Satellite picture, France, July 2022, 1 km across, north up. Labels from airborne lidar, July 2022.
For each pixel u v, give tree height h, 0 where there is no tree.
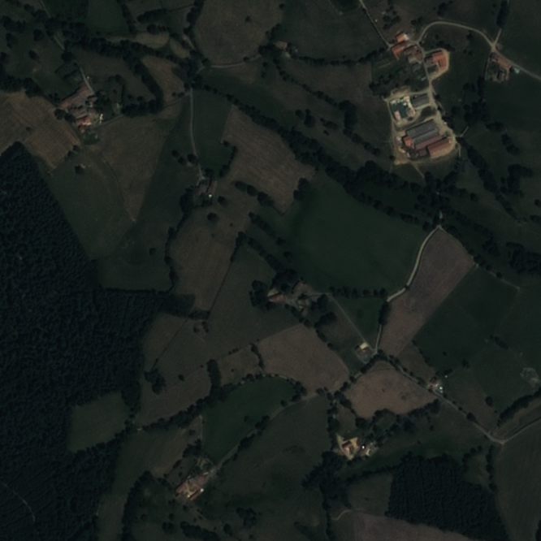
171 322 0
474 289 0
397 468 9
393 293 0
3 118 0
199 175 0
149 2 0
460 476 11
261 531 0
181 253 0
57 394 33
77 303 39
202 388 0
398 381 0
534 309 0
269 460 0
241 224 0
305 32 0
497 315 0
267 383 0
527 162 0
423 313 0
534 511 0
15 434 30
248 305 0
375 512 0
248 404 0
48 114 0
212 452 0
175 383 0
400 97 0
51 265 36
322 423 0
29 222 37
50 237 29
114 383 23
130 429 16
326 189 0
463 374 0
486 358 0
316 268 0
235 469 0
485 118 25
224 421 0
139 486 20
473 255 15
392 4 8
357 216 0
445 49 10
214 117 0
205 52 0
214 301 0
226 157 0
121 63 0
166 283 0
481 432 0
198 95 0
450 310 0
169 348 0
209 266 0
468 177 0
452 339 0
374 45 0
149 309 15
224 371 0
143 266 0
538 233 0
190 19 15
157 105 20
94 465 28
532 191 0
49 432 23
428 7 0
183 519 0
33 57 20
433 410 16
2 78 21
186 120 0
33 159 15
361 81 0
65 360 30
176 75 0
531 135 0
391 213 17
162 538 0
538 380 0
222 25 0
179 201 0
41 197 29
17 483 16
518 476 0
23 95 0
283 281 10
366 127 0
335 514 0
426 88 0
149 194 0
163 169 0
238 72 0
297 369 0
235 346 0
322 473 29
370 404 0
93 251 0
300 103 0
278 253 0
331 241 0
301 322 8
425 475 14
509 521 0
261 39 0
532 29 0
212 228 0
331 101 17
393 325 0
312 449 0
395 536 0
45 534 23
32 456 26
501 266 0
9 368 28
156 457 0
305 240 0
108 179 0
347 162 0
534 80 0
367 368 15
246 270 0
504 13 16
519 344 0
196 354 0
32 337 26
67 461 19
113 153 0
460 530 6
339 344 0
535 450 0
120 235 0
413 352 0
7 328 28
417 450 0
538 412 0
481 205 0
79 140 0
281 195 0
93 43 17
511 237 0
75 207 0
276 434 0
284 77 10
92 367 36
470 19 0
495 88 0
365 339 0
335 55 0
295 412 0
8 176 25
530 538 0
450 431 0
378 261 0
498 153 0
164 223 0
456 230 17
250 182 0
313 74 0
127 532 14
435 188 22
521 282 0
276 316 0
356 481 14
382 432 15
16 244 28
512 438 0
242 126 0
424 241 0
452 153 0
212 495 0
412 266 0
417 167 0
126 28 0
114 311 17
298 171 0
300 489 0
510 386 0
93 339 30
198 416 11
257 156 0
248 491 0
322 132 0
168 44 0
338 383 0
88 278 22
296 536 0
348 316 0
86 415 0
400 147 0
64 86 0
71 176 0
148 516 7
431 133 0
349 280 0
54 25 21
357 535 0
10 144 0
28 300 30
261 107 0
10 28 23
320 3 0
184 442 0
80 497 21
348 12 0
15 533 14
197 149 0
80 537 27
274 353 0
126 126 0
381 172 18
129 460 0
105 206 0
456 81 0
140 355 14
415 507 14
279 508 0
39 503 15
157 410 0
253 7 0
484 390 0
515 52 0
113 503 0
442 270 0
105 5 0
